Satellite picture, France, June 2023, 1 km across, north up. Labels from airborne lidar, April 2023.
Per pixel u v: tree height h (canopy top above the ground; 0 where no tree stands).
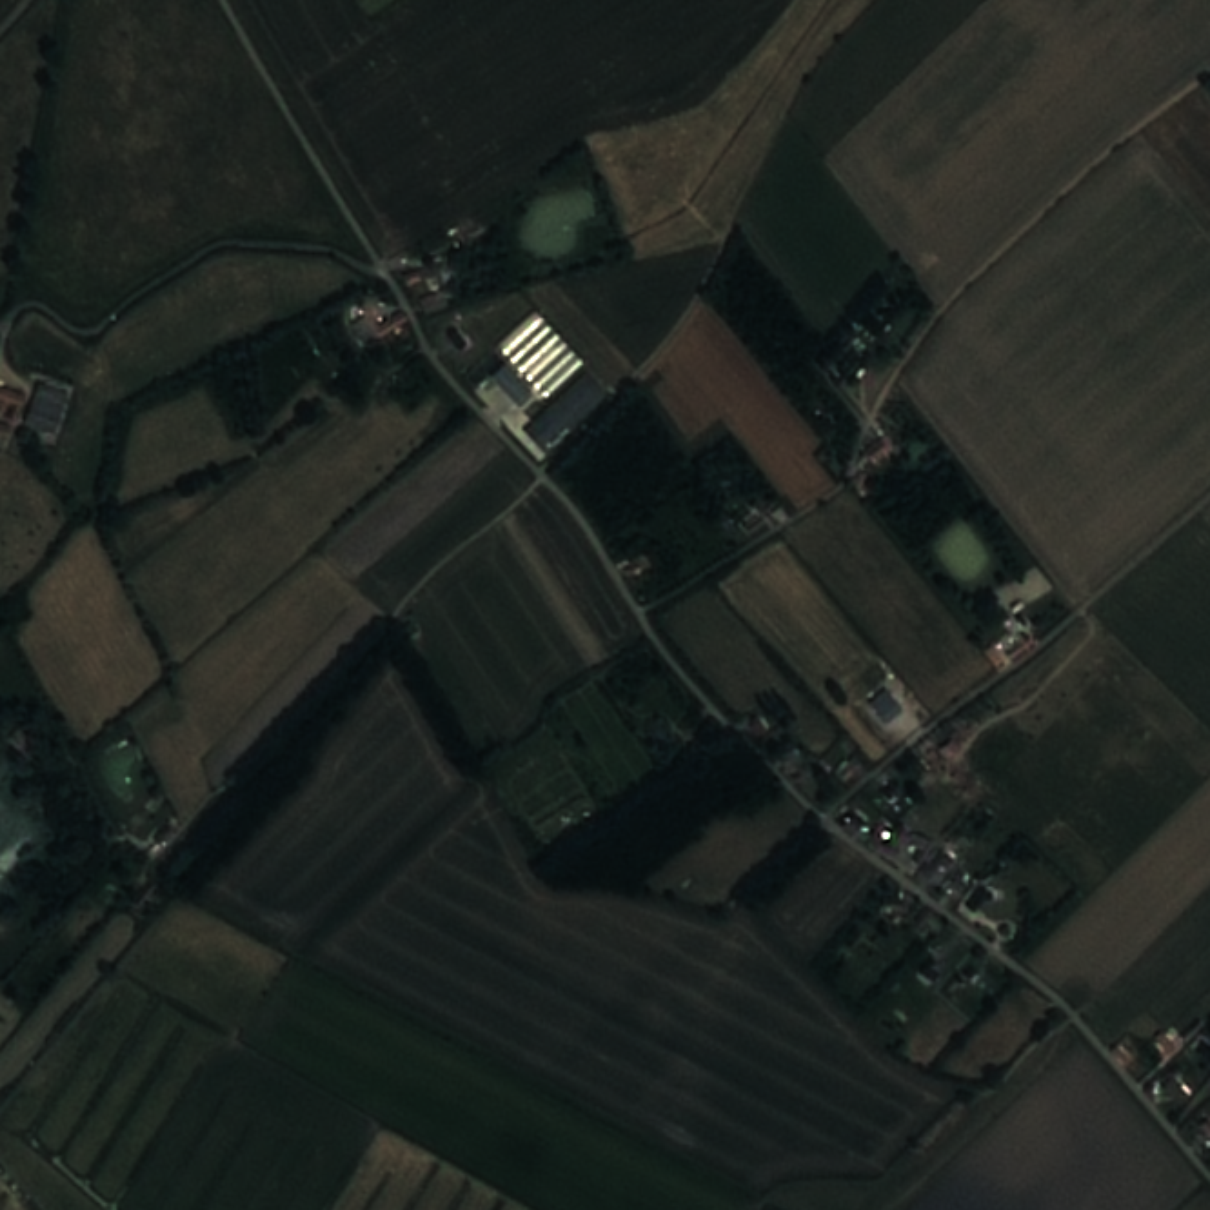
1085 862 0
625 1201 0
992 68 0
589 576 0
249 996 0
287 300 0
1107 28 0
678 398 0
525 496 0
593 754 0
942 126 0
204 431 0
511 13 0
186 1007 0
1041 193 0
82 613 0
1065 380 0
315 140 0
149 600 0
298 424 6
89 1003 0
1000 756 0
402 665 17
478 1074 0
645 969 0
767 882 17
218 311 0
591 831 14
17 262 21
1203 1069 6
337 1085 0
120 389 0
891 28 0
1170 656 0
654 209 0
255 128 0
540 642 0
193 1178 0
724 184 0
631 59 0
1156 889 0
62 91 0
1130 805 0
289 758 16
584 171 0
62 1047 0
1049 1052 0
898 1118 0
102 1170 0
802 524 0
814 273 0
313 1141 0
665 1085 0
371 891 0
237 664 0
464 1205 0
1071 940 0
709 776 21
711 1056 0
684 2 0
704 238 0
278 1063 0
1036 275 0
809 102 0
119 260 0
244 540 0
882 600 0
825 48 0
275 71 0
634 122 0
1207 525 0
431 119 0
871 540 0
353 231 0
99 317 0
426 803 0
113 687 0
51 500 0
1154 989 0
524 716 0
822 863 0
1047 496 0
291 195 0
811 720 0
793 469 0
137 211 0
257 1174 0
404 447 0
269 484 0
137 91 0
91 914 0
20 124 0
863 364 9
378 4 0
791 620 0
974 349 0
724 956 0
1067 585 0
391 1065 0
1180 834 0
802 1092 0
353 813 0
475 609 0
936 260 0
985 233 0
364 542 0
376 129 0
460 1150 0
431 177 0
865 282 0
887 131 0
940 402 0
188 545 0
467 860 0
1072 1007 0
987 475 0
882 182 0
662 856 16
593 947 0
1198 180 0
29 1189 0
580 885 13
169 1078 0
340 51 0
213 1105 0
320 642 0
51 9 0
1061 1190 0
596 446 14
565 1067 0
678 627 0
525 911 0
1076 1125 0
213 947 0
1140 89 0
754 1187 0
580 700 0
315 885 0
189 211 0
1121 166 0
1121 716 0
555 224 0
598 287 0
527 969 0
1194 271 0
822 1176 0
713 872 0
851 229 0
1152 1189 0
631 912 0
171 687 8
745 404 0
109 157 0
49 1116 0
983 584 0
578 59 0
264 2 0
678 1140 0
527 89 0
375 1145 0
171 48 0
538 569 0
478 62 0
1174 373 0
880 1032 0
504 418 0
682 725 0
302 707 9
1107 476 0
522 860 0
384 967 0
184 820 0
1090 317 0
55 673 0
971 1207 0
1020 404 0
